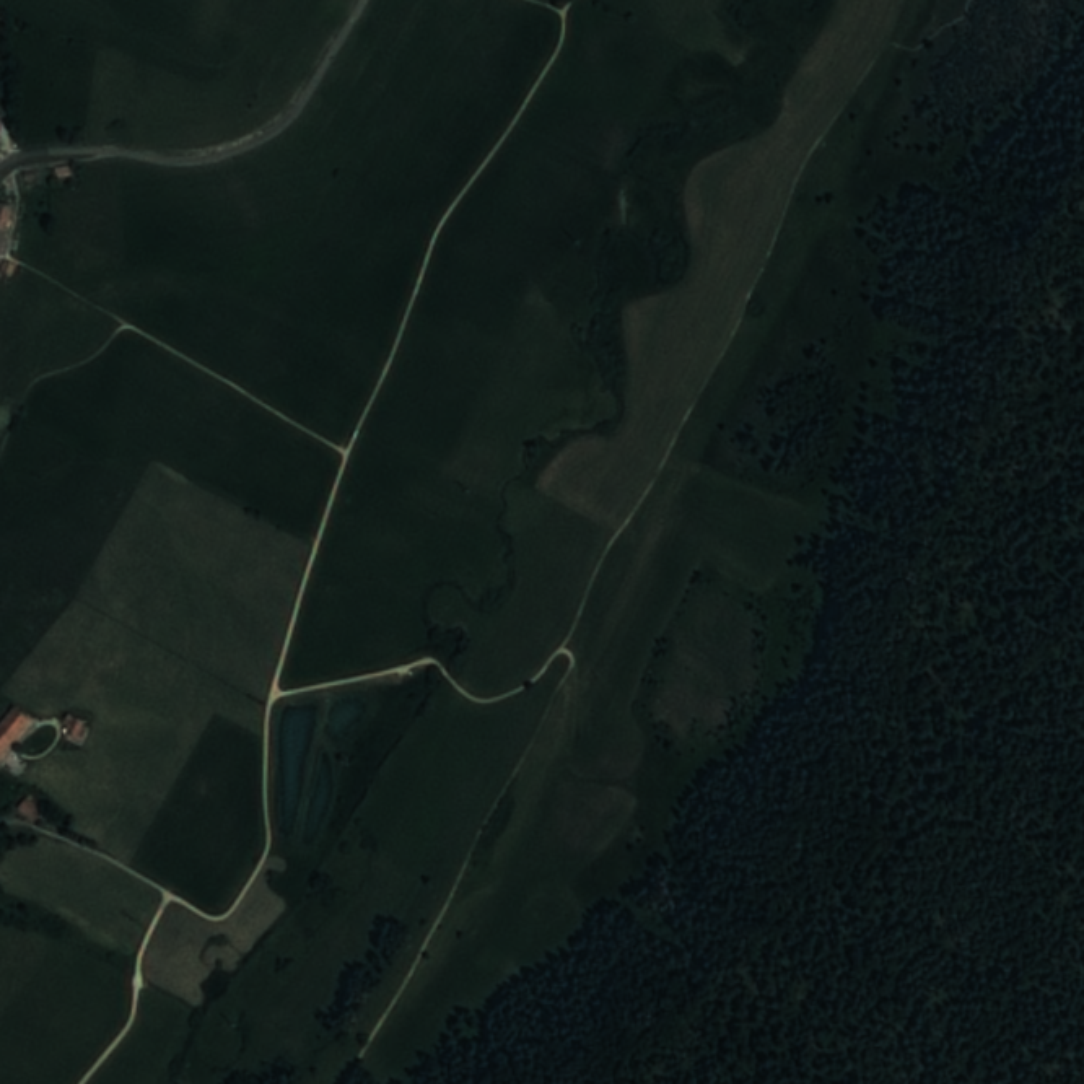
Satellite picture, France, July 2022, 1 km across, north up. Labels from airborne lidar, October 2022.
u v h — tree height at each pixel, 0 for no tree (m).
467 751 0
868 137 0
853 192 0
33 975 0
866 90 0
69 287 0
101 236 0
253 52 0
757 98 0
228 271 0
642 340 0
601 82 0
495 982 0
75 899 0
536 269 0
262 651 0
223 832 0
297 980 0
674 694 0
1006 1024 16
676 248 6
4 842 10
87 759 0
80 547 0
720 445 0
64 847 0
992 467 19
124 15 0
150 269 0
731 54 0
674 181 0
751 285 0
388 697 0
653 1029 30
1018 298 26
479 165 0
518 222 0
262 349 0
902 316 27
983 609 15
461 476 0
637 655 0
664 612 0
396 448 0
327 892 5
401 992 0
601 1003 29
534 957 0
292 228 0
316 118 0
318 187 0
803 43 0
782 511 0
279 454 0
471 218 0
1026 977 23
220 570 0
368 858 0
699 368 0
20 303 0
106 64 0
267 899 0
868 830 26
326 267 0
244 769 0
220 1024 0
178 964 0
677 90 0
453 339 0
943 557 17
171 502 0
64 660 0
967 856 18
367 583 0
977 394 27
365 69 0
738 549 0
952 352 16
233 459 0
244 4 0
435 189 0
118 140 0
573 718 0
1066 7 7
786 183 0
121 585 0
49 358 0
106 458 0
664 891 32
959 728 34
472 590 0
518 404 0
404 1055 0
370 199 0
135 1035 0
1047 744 13
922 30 0
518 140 0
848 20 0
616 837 0
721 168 0
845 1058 16
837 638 31
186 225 0
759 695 15
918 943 18
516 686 0
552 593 0
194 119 0
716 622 0
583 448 0
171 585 0
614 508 0
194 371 0
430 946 0
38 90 0
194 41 0
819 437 12
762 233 0
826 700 18
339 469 0
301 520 0
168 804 0
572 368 0
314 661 0
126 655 0
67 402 0
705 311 0
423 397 0
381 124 0
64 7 0
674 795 0
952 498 12
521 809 0
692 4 0
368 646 0
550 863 0
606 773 0
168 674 0
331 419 0
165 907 0
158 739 0
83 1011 0
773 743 26
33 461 0
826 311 0
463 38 0
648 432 0
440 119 0
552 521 0
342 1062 0
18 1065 0
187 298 0
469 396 0
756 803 29
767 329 0
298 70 0
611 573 0
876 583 28
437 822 0
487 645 0
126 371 0
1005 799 18
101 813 0
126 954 0
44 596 0
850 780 19
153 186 0
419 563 0
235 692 0
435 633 10
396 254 0
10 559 0
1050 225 14
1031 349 8
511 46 0
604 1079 25
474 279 0
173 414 0
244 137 0
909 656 19
